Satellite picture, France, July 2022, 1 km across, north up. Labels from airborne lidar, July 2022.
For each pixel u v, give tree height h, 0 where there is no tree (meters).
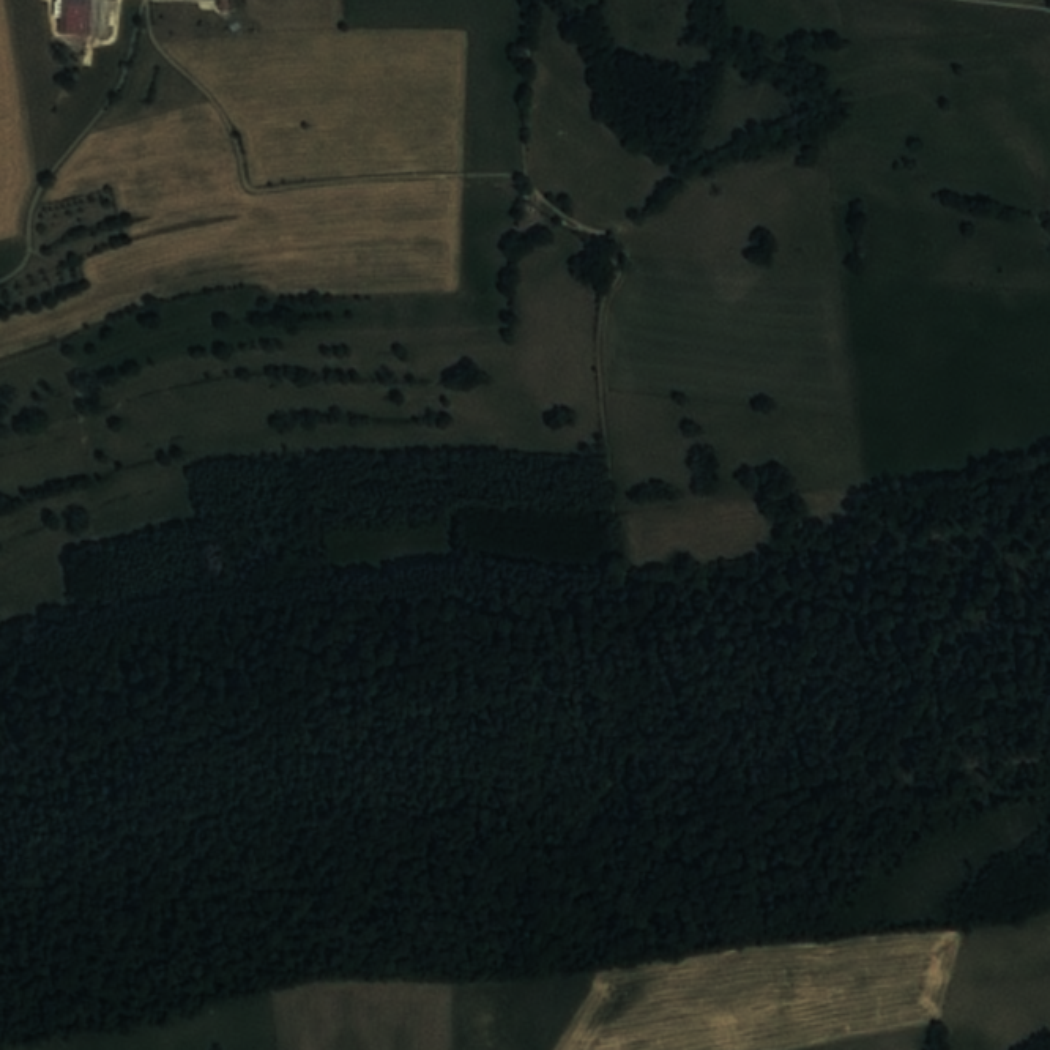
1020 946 0
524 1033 0
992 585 33
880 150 0
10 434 14
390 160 0
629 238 0
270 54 0
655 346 0
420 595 28
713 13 9
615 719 25
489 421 0
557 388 0
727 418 0
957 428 0
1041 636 18
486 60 0
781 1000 0
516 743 20
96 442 0
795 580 32
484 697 24
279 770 18
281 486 21
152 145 0
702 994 0
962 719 26
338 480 22
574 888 28
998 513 20
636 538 0
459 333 0
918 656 32
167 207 0
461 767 16
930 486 25
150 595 18
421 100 0
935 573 34
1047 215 7
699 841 28
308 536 20
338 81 0
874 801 27
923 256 0
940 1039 18
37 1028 7
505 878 24
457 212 0
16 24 0
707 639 15
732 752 25
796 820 30
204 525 16
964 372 0
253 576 32
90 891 19
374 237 0
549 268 0
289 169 0
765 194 0
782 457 0
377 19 0
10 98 0
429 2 0
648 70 24
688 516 0
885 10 0
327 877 14
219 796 8
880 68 0
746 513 0
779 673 32
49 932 13
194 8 0
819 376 0
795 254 0
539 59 0
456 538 18
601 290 14
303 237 0
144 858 15
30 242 0
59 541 0
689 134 11
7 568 0
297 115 0
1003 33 0
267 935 21
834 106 9
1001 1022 0
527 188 13
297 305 11
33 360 0
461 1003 0
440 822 22
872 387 0
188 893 24
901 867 16
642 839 28
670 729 28
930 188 0
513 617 6
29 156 0
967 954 0
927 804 25
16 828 17
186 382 0
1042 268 0
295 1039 0
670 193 16
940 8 0
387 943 18
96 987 24
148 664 31
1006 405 0
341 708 30
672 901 28
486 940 19
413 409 0
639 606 30
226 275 0
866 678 25
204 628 28
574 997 0
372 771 18
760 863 29
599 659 11
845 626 29
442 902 24
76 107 0
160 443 0
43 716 13
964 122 0
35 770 26
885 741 26
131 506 0
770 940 14
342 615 30
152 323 14
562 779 19
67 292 11
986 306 0
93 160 0
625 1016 0
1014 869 13
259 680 31
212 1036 0
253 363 0
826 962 0
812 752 25
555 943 24
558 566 21
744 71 8
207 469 17
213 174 0
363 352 0
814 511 0
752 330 0
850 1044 0
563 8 11
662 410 0
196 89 0
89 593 23
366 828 23
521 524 9
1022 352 0
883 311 0
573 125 0
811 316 0
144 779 23
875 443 0
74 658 24
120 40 0
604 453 12
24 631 25
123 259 0
